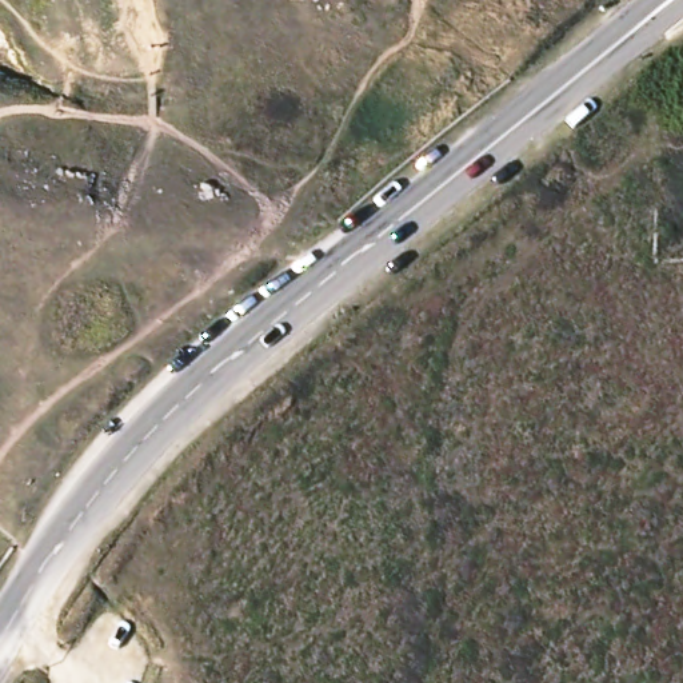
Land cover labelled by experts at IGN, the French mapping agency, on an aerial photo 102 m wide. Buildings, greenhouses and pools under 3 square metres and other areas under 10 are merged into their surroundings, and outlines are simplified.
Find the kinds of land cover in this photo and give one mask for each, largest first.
<instances>
[{"label":"herbaceous vegetation","instance_id":"1","mask_svg":"<svg viewBox=\"0 0 683 683\"><path fill-rule=\"evenodd\" d=\"M440 77L427 64L398 59L387 64V69L374 80V85L360 99L358 109L331 104L328 115L339 125V131L328 139L325 155L315 168V179L307 184V189H301L299 200L291 205L288 213L299 224H312L315 219H352L358 208L374 205L379 181L395 165L414 157L406 128L419 123V117L427 112H438L440 101L432 99L430 91L438 85ZM675 131L659 128L656 112L646 117L640 133H635L632 123L622 117V104L614 99L595 96L587 104V115L576 123V131L571 136L552 139L539 163H523V168L510 181H499L502 195L486 200L467 219H456L448 229L438 235V240L416 251V261L400 272L408 285L392 299H387L382 307H376L368 315V320L360 323L339 350L315 358L304 368H296L291 360L264 382L269 392L259 398L253 408L227 435L216 438L213 448L205 454L197 470L187 472L184 480L173 486V491L168 494V504L160 510L157 520L163 526V534H171L173 528L192 523L195 507H203L208 520L200 523L203 528H211L205 568L187 587L192 600L176 608L173 624L168 627L173 638H181L192 646L208 643L211 648L208 656H189L181 664V683H683V141L675 144Z\"/></svg>","mask_w":683,"mask_h":683},{"label":"bare soil","instance_id":"2","mask_svg":"<svg viewBox=\"0 0 683 683\"><path fill-rule=\"evenodd\" d=\"M29 16V24L40 35H72L77 43V61L83 67L93 61L83 21L93 19L101 29L112 27L117 21L112 0H11ZM155 11L157 16H163V29L168 35L155 88L157 117L200 139L219 157L235 163L243 171V176H248L267 197H283L296 184V179L315 168L325 155L328 139L339 131V125L328 115L331 104L358 109L360 99L352 93L360 77L368 72V67L384 48L398 43L408 32L411 0H155ZM619 5V0H427V13L422 16L427 37L403 48L398 59L427 64L440 77L438 85L430 91L432 99L440 101L438 112H427L419 117V123L406 128L414 157L430 160L438 152L440 133L451 125L454 109L464 112L467 107V99L459 93L464 85L472 88V93H486L488 85L496 91L507 80L520 83L523 77L534 75L544 61H550L558 53V48L568 40V35L587 19H592L598 8H614ZM64 80L53 56L40 51L24 35L21 24L0 5V107L56 101ZM72 107L115 115L147 112V83H109L80 77L72 91ZM147 139L144 128L91 120H51L43 115H13L0 120V443L5 440L13 424H19L56 387L69 382L85 363L128 342L139 331V325L152 320L160 309L173 304L195 285L197 272H211L227 253L240 248L251 235H256L261 229V211L240 187L219 179V171L203 155L192 152L171 136H157L147 176L133 181L128 203H120V184ZM112 211L123 213L128 224L104 243L101 253L93 261L75 272L69 261L77 253L88 251L91 240L96 237V213L112 216ZM336 232V219H315L312 224H299L288 213L259 245L256 264L248 261L237 267L229 277L219 280L205 296H200L176 317H171L163 325V331L149 336L133 352L117 358L96 379L69 392L11 448V454L0 464V518L13 523L16 531L29 534L51 496L56 494V488L61 486V480L67 478V472L72 470V464L85 454V448L96 440L99 432L107 430L109 422L120 416V408L136 392H141L165 366H176L179 352L192 347V339L197 333H208L213 320H227V309L245 299L248 288L267 283L277 264L293 261V256L304 253L309 243H317L325 235ZM208 520L203 507H195L192 523L173 528L171 534H163V526L157 520L136 531V536L131 539V544L125 547L112 571V584L117 587V600L123 606L136 595L152 598L155 608L160 611L168 627L173 624L176 608L192 600L187 587L205 568L211 528H203L200 523ZM19 558V550L5 536H0V587ZM176 662L181 664L189 656H208L211 648L208 643L192 646L181 638H173Z\"/></svg>","mask_w":683,"mask_h":683},{"label":"impervious surface","instance_id":"3","mask_svg":"<svg viewBox=\"0 0 683 683\"><path fill-rule=\"evenodd\" d=\"M683 35V0H619V5L614 8H598L592 19H587L568 35V40L558 48V53L550 61H544L534 75L523 77L520 83L507 80L496 91L488 85L486 93H472V88L464 85L459 93L467 99V107L464 112L454 109L451 125L440 133L438 152L430 160L414 157L395 165L379 181L374 205L358 208L352 219H336V232L325 235L317 243H309L304 253L293 256V261L277 264L267 283L248 288L245 299L227 309V320H213L208 333H197L192 339V347L179 352L176 366H165L141 392H136L120 408V416L109 422L107 430L99 432L96 440L85 448V454L72 464V470L67 472V478L61 480V486L56 488V494L51 496L29 534L27 544L19 550V558L0 587V683H13L21 672L29 670L24 662L32 656L35 648L45 659L56 648L59 611L77 587L101 539L133 510L139 496L149 488V483L205 427H211L224 411H229L253 387L264 382L291 360L301 347H307L315 339L323 323L331 315H336L339 307L352 304V299L360 291L376 288V283L392 267L400 272L416 261V251L438 240V235L448 229L456 219H467L486 200L502 195L499 181H510L523 168V163H539L552 139L571 136L576 131V123L587 115V104L595 96L614 99L624 88H632L638 72Z\"/></svg>","mask_w":683,"mask_h":683},{"label":"pervious surface","instance_id":"4","mask_svg":"<svg viewBox=\"0 0 683 683\"><path fill-rule=\"evenodd\" d=\"M117 21L112 27L101 29L93 19L83 21L93 61L83 67L77 61V43L72 35H40L29 24V16L11 0H0V5L21 24L24 35L40 51L53 56L64 80L56 101L0 107V120L13 115H43L51 120H91L144 128L147 139L120 184V203H128L133 181L147 176L157 136H171L192 152L203 155L219 171V179L240 187L261 211V229L256 235H251L240 248L227 253L211 272H197L195 285L173 304L160 309L152 320L139 325V331L128 342L85 363L69 382L56 387L19 424H13L5 440L0 443V464L11 454V448L69 392L96 379L117 358L133 352L149 336L163 331V325L171 317H176L200 296H205L219 280L229 277L237 267L248 261L256 264L259 245L288 213L291 205L299 200L301 189H307V184L315 179V168L296 179V184L283 197H267L248 176H243V171L235 163L219 157L200 139L157 117L155 88L168 35L163 29V16H157L155 11V0H112ZM80 77L109 83H147V112L115 115L72 107V91ZM427 13V0H411L408 32L398 43L384 48L368 67V72L360 77L352 93L360 99L374 85V80L387 69V64L398 59L403 48L427 37L422 16ZM128 224L123 213L112 211V216L96 213V237L91 240L88 251L77 253L69 261L75 272L93 261L101 253L104 243ZM408 285L400 272L392 267L376 283V288L360 291L352 299V304L339 307L336 315H331L323 323L315 339L307 347H301L291 360L296 368H304L315 358L339 350L360 323L368 320V315L376 307H382L387 299H392ZM269 392L264 382L253 387L229 411H224L211 427H205L149 483V488L139 496L133 510L101 539L77 587L59 611L56 648L45 659L35 648L32 656L24 662L29 670L21 672L13 683H181V664L176 662L173 638L168 627L160 611L155 608L152 598L136 595L123 606L117 600V587L112 584V571L125 547L131 544V539L136 536V531L157 520L160 510L168 504V494L173 491V486L184 480L187 472L197 470L205 454L213 448L216 438L227 435L253 408L259 398ZM0 536H5L19 550L27 544L29 534L16 531L13 523L0 518Z\"/></svg>","mask_w":683,"mask_h":683},{"label":"brushwood","instance_id":"5","mask_svg":"<svg viewBox=\"0 0 683 683\"><path fill-rule=\"evenodd\" d=\"M614 99L622 104V117L632 123L635 133H640L646 117L656 112L659 128L675 131V144L683 141V35L638 72L632 88H624Z\"/></svg>","mask_w":683,"mask_h":683}]
</instances>
